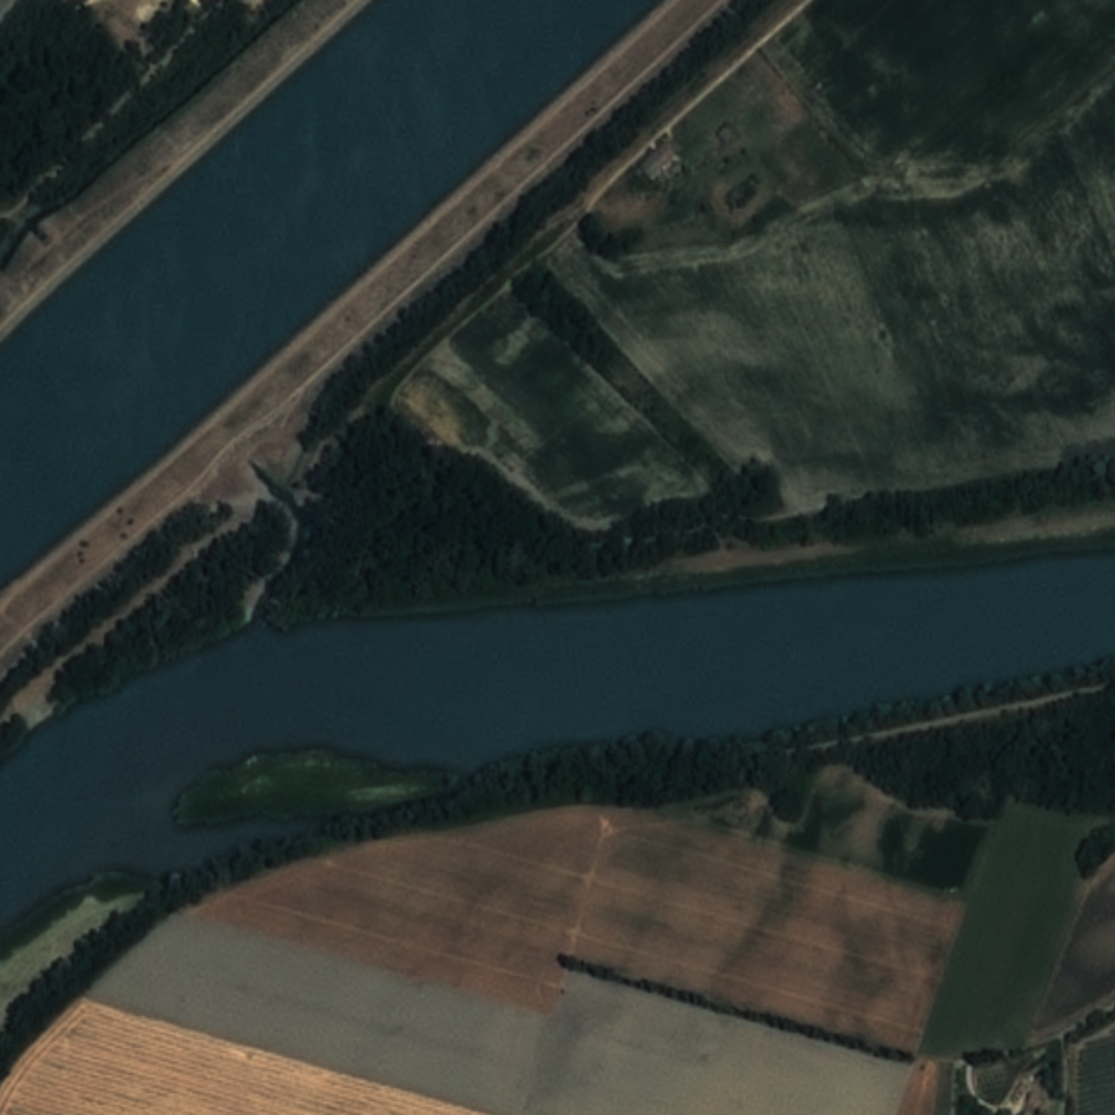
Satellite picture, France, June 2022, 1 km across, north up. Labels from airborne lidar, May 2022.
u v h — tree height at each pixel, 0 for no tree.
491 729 0
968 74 0
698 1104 0
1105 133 0
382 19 0
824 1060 0
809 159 0
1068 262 0
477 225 0
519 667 0
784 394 0
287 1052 0
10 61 21
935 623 0
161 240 0
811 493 0
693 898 0
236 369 0
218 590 23
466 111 0
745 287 0
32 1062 0
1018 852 0
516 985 0
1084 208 0
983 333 0
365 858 0
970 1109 10
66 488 0
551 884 0
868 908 0
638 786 23
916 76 0
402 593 13
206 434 0
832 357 0
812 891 0
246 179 0
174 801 0
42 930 0
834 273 0
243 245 0
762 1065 0
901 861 0
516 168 0
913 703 12
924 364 0
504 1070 0
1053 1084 16
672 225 0
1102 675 19
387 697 0
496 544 25
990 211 0
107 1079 0
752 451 0
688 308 0
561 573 30
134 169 0
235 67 0
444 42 0
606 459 0
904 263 0
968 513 10
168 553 25
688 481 0
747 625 0
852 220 0
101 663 19
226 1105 0
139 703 0
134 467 0
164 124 0
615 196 0
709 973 0
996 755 12
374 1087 0
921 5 0
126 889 0
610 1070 0
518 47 0
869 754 8
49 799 0
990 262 0
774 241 0
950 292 0
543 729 0
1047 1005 0
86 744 0
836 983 0
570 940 0
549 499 0
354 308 0
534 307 16
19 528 0
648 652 0
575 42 0
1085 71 0
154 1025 0
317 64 0
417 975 0
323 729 0
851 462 0
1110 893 0
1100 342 0
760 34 0
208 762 0
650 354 0
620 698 0
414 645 0
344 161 0
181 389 0
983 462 0
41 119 22
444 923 0
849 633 0
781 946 0
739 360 0
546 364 0
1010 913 0
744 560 0
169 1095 0
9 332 0
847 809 0
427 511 27
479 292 8
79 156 17
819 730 16
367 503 29
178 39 8
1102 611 0
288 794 0
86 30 18
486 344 0
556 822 0
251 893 0
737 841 0
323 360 0
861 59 0
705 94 0
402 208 0
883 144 0
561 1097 0
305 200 0
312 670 0
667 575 0
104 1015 0
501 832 0
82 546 7
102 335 0
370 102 0
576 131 0
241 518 0
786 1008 0
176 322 0
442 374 0
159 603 24
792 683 0
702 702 0
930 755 21
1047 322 0
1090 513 0
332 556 33
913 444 0
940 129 0
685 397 0
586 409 0
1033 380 0
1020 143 0
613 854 0
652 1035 0
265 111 0
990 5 0
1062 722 19
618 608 0
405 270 0
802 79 0
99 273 0
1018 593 0
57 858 0
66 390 0
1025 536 0
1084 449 0
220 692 0
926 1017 0
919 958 0
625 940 0
